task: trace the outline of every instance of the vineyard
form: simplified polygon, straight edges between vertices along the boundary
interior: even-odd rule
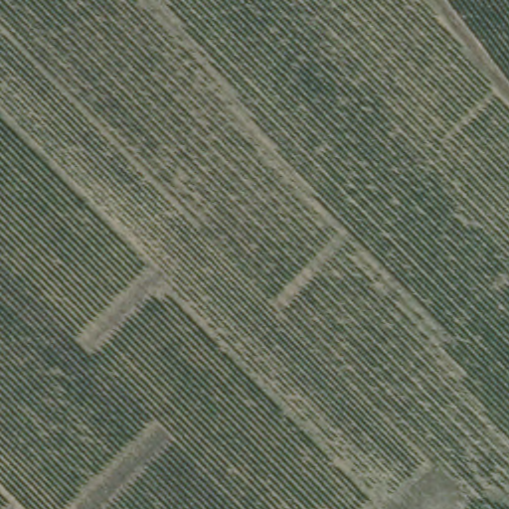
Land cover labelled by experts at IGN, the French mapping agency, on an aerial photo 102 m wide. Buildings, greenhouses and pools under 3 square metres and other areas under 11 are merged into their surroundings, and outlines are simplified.
[[[0,509],[509,509],[509,0],[0,0]]]

